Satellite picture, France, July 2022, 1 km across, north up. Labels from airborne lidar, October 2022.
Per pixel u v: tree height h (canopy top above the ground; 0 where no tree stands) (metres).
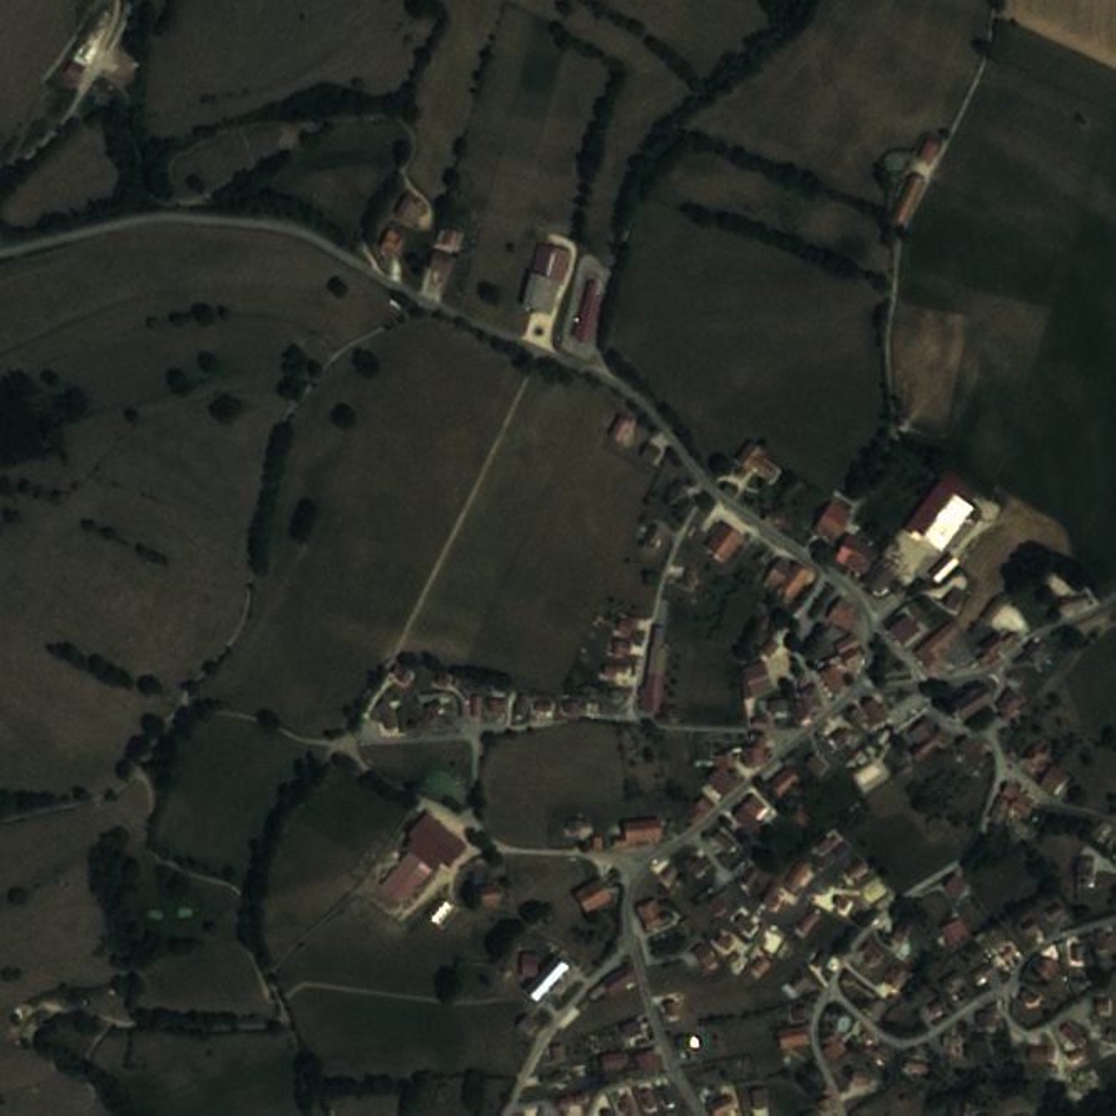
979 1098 7
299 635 0
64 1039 0
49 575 0
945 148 0
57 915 0
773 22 8
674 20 0
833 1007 8
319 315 0
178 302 0
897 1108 0
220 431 0
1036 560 23
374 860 0
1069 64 0
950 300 0
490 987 19
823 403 0
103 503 0
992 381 0
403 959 0
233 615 0
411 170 0
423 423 0
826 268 20
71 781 0
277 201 18
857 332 0
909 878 0
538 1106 0
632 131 0
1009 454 0
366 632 0
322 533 0
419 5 17
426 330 0
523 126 0
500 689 12
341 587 0
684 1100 0
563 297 0
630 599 0
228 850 0
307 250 0
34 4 0
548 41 0
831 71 0
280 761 0
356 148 0
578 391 0
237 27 0
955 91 0
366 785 12
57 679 0
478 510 0
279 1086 0
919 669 0
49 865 0
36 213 0
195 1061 0
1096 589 10
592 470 0
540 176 0
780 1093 0
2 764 0
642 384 15
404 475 0
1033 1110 0
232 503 0
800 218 0
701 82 15
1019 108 0
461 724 0
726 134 0
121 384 0
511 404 0
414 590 0
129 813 0
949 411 0
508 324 0
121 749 0
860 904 0
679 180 0
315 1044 0
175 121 0
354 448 0
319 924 0
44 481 0
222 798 0
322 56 0
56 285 0
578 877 0
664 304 0
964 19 0
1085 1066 0
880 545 6
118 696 0
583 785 0
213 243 0
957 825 9
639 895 0
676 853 0
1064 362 0
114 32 0
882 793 0
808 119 0
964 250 0
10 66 0
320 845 0
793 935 0
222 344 0
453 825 0
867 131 0
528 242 0
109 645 0
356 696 0
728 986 0
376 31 0
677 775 0
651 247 0
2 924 0
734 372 0
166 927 0
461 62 0
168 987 0
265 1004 0
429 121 0
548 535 0
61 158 0
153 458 0
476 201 0
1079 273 0
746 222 16
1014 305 0
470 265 0
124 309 0
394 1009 0
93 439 0
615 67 9
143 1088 0
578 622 0
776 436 0
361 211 0
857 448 0
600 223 0
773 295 0
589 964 0
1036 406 0
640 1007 0
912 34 0
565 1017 0
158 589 0
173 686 0
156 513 0
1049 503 0
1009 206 0
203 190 13
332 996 0
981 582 0
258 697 0
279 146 0
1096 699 0
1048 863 14
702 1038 0
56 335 0
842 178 0
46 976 0
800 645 13
